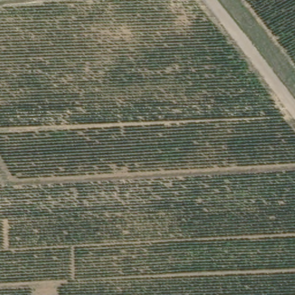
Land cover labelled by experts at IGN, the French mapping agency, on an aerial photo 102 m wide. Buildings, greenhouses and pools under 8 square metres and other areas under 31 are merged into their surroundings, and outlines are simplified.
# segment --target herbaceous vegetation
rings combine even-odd
[[[295,99],[295,62],[247,0],[217,0]]]
[[[195,0],[199,8],[209,16],[210,21],[217,25],[222,35],[226,36],[227,43],[233,45],[237,51],[241,50],[204,0]]]

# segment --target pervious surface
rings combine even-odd
[[[280,99],[295,119],[295,99],[217,0],[204,0],[241,50],[247,56],[245,61],[252,63],[259,75],[264,78],[270,88],[268,93],[271,94],[271,98],[274,101]]]

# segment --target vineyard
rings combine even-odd
[[[245,61],[247,56],[241,50],[237,51],[233,45],[227,43],[226,36],[222,35],[217,25],[210,21],[209,16],[199,8],[195,0],[0,0],[0,295],[295,295],[295,119],[280,99],[274,101],[271,98],[271,94],[268,93],[270,88],[264,78],[259,75],[252,63]]]
[[[295,62],[295,0],[247,0]]]

